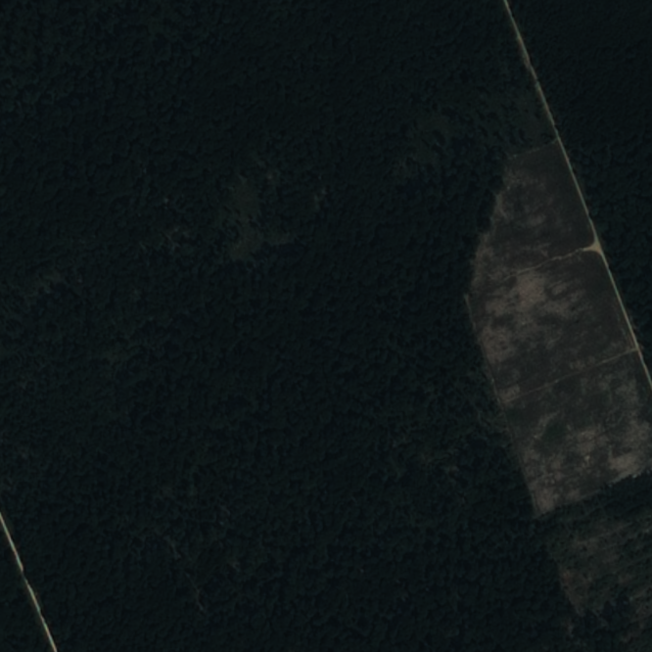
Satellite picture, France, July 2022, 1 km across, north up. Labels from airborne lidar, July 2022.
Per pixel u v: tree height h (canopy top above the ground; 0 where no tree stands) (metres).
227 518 28
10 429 14
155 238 29
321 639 30
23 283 29
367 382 29
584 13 15
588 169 25
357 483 28
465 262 30
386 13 23
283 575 7
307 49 33
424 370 27
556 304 0
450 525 27
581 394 0
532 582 26
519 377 0
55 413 18
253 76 33
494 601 26
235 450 9
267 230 28
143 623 28
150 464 27
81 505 31
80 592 31
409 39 26
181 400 31
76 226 27
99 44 29
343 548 26
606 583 6
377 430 29
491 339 0
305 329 24
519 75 20
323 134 29
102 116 32
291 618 31
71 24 27
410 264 31
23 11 28
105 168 33
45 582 30
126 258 27
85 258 25
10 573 25
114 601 28
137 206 30
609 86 25
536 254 0
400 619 33
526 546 14
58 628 26
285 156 29
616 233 24
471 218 31
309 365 30
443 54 30
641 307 26
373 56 27
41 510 27
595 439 0
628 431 0
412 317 26
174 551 25
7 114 30
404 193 30
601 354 0
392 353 29
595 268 0
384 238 32
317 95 29
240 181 27
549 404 0
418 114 26
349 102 28
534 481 0
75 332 23
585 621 8
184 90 29
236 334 26
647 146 27
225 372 31
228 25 31
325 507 29
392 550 25
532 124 0
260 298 33
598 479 0
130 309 24
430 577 29
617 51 22
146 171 27
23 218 28
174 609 26
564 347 0
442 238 32
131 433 26
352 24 30
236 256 0
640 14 16
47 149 30
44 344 27
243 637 30
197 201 34
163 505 28
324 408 31
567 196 0
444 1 22
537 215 0
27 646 25
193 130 30
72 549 34
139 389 26
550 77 15
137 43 25
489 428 25
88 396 20
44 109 30
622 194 23
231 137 34
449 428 11
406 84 26
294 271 30
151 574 27
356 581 31
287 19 30
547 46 17
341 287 26
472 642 31
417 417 8
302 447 27
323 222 34
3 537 18
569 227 0
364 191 25
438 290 32
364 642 32
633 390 0
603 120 25
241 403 31
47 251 27
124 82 29
